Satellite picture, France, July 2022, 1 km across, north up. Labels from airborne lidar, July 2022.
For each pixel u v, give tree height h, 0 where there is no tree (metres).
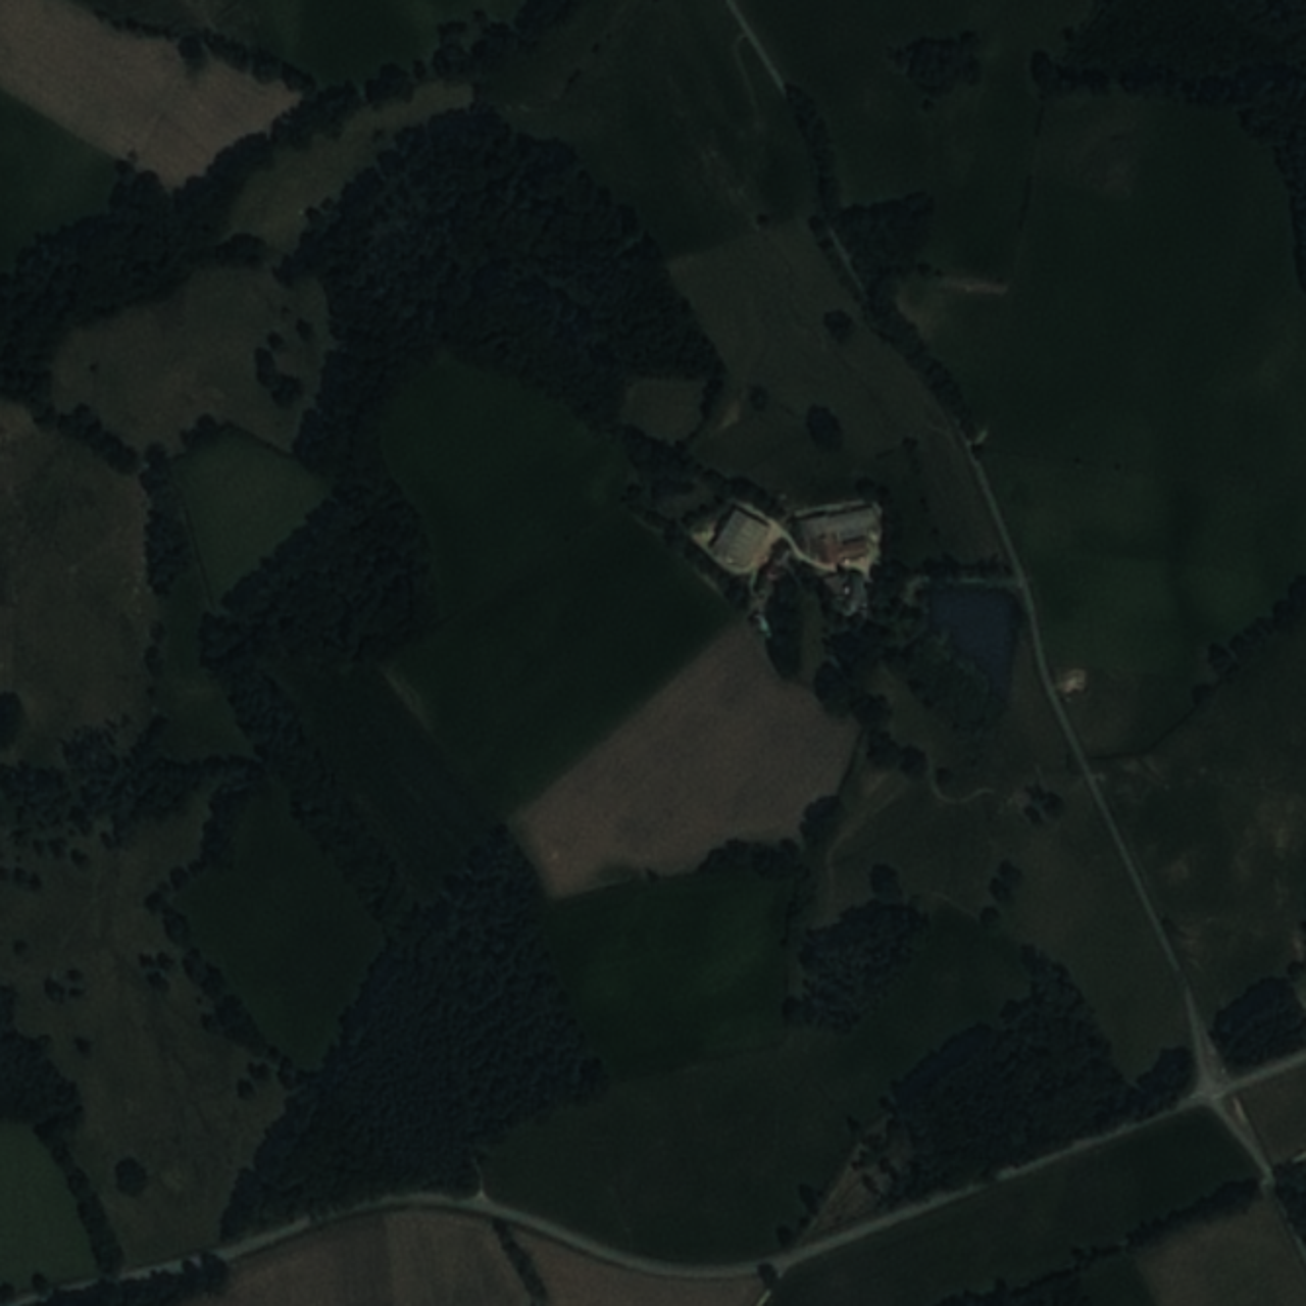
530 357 27
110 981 0
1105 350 0
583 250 27
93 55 0
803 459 0
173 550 19
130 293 16
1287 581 0
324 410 21
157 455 13
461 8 0
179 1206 0
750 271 0
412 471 0
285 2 0
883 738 19
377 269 15
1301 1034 24
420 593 25
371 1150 30
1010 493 0
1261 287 0
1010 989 0
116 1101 0
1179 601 0
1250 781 0
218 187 22
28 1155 0
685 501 0
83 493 0
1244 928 0
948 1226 0
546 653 0
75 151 0
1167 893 0
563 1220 0
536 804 0
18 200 0
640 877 0
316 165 0
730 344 0
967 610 0
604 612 0
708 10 0
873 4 0
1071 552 0
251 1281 0
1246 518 0
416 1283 0
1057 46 0
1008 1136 28
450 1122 26
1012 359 0
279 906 0
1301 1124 0
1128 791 0
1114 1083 17
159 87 0
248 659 27
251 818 0
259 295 0
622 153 0
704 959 0
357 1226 0
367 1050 26
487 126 26
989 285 0
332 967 0
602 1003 0
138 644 0
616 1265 0
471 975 24
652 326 7
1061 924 0
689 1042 0
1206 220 0
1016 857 0
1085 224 0
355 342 27
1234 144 0
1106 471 0
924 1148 31
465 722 0
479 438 0
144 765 17
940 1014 0
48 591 0
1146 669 0
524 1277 14
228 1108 0
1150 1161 0
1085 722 0
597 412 25
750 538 0
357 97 20
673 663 0
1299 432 0
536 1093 30
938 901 0
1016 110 0
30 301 16
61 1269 0
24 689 0
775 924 0
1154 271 0
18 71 0
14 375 21
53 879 0
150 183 20
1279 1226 0
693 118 0
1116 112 0
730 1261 0
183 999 0
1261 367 0
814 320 0
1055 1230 0
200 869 15
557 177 33
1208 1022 0
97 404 0
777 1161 0
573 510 0
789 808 0
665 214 0
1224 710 0
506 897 25
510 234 30
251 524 0
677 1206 0
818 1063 0
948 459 0
